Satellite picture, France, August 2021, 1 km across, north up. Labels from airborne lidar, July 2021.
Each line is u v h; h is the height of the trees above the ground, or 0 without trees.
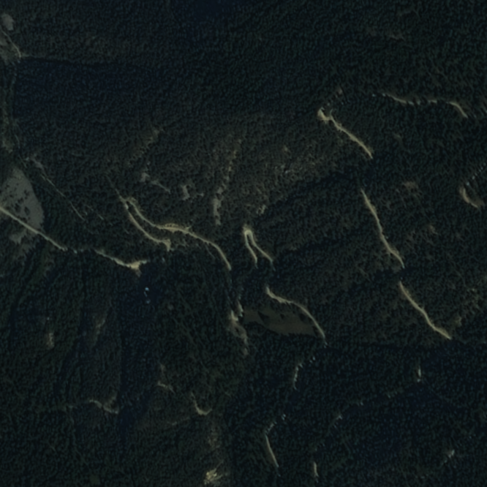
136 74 12
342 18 9
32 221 0
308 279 17
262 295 14
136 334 14
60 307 12
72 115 15
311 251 19
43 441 18
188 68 15
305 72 11
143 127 14
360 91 20
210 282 9
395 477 10
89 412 16
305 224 17
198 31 15
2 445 18
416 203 19
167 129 14
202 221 8
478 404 17
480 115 26
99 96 14
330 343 18
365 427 18
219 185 11
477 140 14
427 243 20
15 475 19
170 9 11
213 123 12
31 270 14
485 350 23
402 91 24
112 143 10
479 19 13
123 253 6
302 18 18
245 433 19
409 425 14
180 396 24
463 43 20
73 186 8
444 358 9
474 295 22
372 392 19
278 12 26
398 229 22
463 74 24
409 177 17
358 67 14
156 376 12
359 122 7
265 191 9
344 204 18
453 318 18
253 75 20
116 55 13
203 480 15
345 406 18
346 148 17
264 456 22
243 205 9
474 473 10
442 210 13
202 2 15
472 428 24
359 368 16
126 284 14
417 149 19
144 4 14
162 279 17
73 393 19
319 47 15
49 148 10
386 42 14
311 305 17
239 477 10
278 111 10
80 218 8
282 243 7
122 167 7
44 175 11
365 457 17
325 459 15
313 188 19
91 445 21
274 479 18
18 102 8
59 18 15
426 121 16
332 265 14
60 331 26
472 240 19
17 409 16
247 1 17
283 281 15
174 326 21
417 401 11
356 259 11
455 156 14
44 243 9
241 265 11
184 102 17
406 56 15
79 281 17
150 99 11
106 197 16
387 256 9
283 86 10
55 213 25
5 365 22
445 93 14
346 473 13
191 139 9
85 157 15
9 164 11
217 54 18
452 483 17
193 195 7
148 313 11
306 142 14
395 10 19
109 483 16
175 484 20
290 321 0
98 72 14
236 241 11
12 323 8
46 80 10
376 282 15
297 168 7
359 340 16
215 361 9
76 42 10
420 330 17
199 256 11
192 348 26
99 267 11
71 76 14
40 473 16
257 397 9
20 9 10
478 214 15
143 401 8
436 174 15
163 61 13
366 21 18
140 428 12
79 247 16
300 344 14
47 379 20
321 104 9
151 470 17
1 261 7
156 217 15
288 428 20
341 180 25
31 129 11
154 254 19
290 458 15
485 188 17
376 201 14
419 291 12
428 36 16
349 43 17
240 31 15
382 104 9
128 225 16
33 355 18
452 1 9
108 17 17
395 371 28
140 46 14
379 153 13
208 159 9
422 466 19
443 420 18
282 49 16
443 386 15
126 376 20
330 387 24
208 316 14
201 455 9
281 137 10
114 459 17
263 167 7
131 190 14
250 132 10
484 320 20
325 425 20
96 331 12
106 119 15
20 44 7
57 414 8
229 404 9
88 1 17
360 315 17
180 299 8
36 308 16
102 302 15
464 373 12
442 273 19
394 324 9
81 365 18
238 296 16
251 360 10
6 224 6
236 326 0
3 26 8
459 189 18
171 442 20
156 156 9
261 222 18
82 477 26
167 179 12
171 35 16
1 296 16
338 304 18
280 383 22
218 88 18
